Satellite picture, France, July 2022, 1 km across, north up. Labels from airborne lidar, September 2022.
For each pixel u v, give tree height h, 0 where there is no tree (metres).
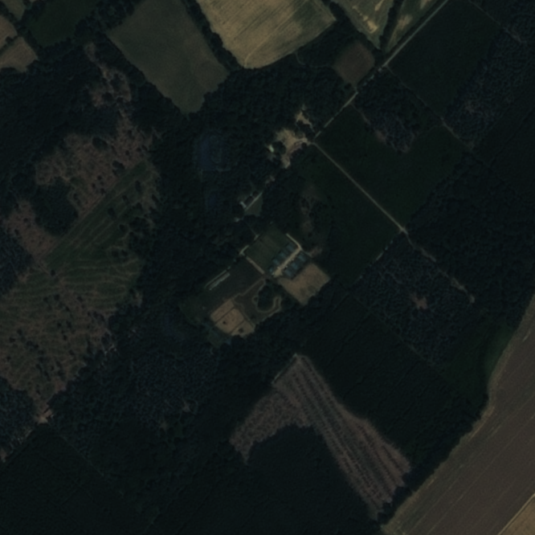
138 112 17
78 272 0
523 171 11
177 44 0
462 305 17
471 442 0
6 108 19
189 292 20
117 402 18
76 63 19
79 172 0
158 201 25
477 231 20
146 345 14
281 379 0
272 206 15
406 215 0
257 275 0
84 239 0
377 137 0
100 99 0
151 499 13
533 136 9
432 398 6
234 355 17
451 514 0
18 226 0
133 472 21
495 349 0
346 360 6
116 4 23
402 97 13
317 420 0
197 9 20
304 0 0
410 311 15
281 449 16
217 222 15
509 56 26
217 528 10
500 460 0
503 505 0
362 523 16
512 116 8
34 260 21
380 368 6
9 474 6
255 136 19
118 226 0
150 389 21
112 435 17
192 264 20
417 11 0
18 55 0
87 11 0
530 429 0
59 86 17
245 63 0
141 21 0
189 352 16
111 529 7
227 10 0
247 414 14
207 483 12
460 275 21
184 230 11
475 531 0
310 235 7
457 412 6
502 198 21
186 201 13
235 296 0
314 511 15
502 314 20
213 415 17
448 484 0
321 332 7
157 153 7
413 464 6
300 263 0
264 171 27
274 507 10
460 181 16
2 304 0
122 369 21
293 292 0
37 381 0
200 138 7
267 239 0
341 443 0
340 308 6
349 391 6
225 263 21
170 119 22
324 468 18
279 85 25
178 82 0
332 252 10
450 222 16
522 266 23
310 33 0
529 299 19
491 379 0
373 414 6
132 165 0
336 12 17
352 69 0
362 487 0
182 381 19
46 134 16
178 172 10
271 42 0
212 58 0
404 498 17
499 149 11
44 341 0
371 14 0
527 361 0
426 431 6
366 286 18
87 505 7
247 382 23
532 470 0
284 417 0
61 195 9
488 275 22
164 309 12
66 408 18
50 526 7
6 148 18
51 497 7
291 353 13
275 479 15
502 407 0
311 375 0
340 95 18
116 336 15
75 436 17
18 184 20
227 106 16
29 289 0
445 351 20
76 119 21
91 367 16
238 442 0
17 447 20
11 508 8
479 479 0
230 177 14
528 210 21
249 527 10
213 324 0
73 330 23
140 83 22
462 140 13
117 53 28
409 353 6
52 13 0
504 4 13
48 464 7
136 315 18
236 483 14
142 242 14
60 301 24
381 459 0
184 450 18
